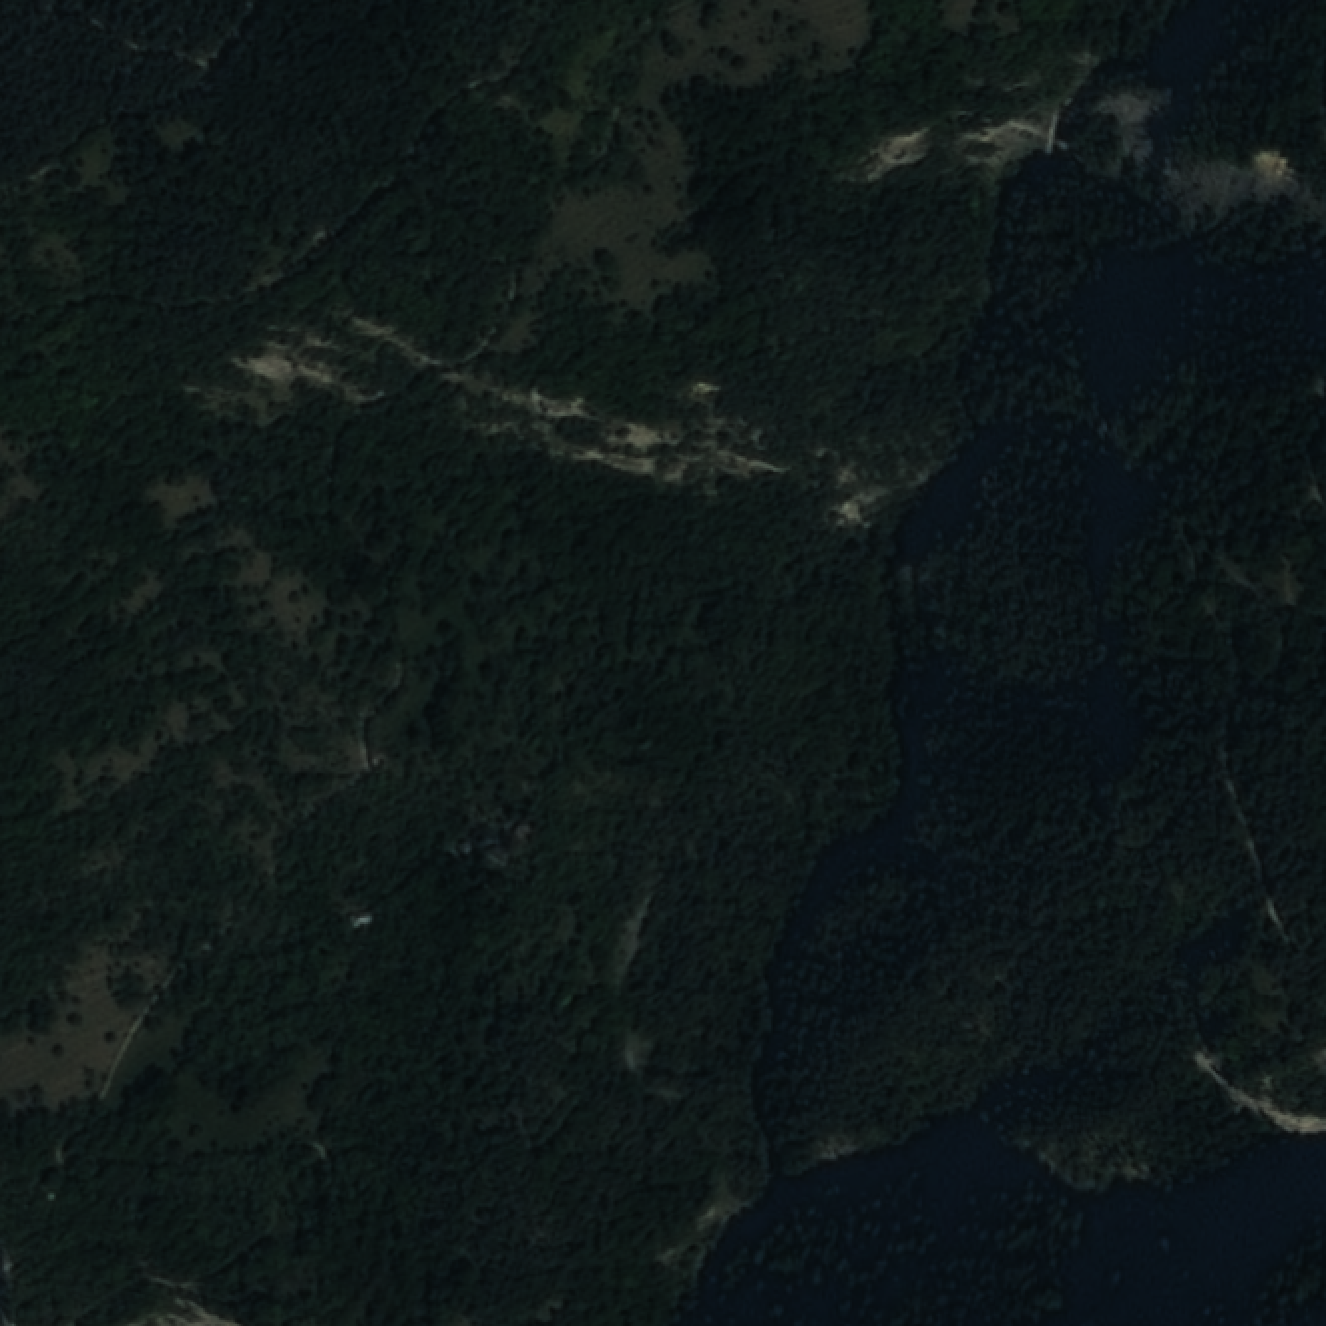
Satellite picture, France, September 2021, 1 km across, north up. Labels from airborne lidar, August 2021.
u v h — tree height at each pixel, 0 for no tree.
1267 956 14
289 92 29
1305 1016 9
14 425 15
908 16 17
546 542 18
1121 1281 24
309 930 17
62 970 8
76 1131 16
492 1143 11
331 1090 13
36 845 12
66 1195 17
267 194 23
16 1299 9
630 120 6
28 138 12
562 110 8
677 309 12
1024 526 25
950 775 23
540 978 7
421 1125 17
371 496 9
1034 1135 16
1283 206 6
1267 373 16
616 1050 15
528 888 11
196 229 8
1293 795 17
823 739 18
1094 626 13
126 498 8
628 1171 13
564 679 8
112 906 8
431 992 25
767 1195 7
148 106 13
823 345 20
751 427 6
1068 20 7
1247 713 10
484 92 8
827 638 19
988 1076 9
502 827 6
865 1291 33
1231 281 17
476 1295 15
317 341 7
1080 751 29
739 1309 24
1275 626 14
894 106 24
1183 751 13
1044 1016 19
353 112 16
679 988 22
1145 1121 18
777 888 15
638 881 12
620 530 21
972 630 18
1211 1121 19
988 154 12
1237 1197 11
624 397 10
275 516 6
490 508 18
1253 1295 12
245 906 6
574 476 13
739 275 16
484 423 10
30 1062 0
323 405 16
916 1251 40
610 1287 21
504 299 10
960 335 17
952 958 15
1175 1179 15
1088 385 10
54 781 7
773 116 7
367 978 16
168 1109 20
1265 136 20
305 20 21
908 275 19
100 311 14
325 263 12
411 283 22
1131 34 22
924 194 17
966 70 11
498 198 13
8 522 6
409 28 15
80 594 16
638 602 18
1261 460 29
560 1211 14
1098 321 13
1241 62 9
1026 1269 14
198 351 13
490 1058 7
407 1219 22
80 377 17
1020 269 19
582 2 12
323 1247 20
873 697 19
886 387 21
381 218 23
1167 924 11
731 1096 21
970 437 24
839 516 6
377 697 9
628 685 17
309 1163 14
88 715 11
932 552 19
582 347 18
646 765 17
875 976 33
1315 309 21
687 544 16
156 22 18
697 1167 21
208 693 10
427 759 7
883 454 7
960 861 13
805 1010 33
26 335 16
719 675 13
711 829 7
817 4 0
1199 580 7
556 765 10
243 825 16
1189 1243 7
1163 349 28
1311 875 23
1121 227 17
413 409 11
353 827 11
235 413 7
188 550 11
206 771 8
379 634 13
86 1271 19
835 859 7
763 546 18
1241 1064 12
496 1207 8
